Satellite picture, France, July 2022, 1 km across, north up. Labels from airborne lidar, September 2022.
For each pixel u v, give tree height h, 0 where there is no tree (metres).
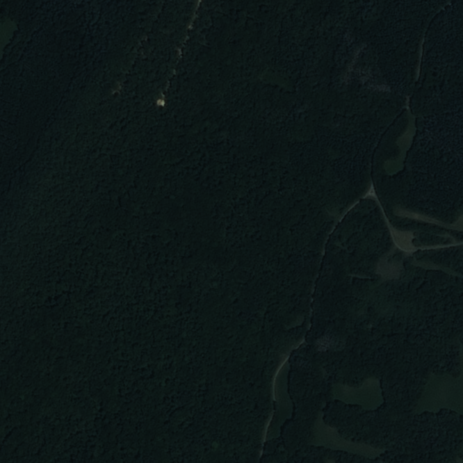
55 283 24
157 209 19
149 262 18
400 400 17
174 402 18
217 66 21
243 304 17
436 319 17
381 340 20
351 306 12
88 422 16
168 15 17
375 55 19
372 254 10
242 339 15
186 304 24
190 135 20
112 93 18
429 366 14
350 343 17
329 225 12
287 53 16
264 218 18
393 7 17
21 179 24
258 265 16
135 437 20
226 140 18
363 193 8
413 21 18
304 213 11
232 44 20
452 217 9
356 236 8
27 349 18
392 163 0
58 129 22
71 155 15
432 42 21
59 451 18
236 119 27
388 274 0
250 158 20
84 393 20
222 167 18
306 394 25
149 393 17
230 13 9
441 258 9
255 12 20
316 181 14
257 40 20
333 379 18
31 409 22
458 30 14
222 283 14
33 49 18
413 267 10
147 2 14
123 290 16
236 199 19
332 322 19
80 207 15
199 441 23
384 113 17
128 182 22
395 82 19
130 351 15
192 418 16
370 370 16
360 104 15
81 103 19
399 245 0
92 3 23
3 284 18
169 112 15
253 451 15
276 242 17
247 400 14
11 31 0
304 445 20
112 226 23
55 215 16
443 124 23
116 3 23
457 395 0
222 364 15
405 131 13
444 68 19
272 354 15
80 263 20
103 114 19
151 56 15
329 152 10
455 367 19
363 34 18
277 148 20
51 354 24
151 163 20
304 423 22
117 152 17
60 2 24
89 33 12
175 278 17
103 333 17
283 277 17
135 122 17
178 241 20
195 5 16
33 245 18
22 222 14
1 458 19
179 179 20
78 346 18
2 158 15
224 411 15
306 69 23
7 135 18
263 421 16
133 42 19
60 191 15
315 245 14
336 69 31
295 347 0
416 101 17
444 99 25
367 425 19
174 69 11
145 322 17
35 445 19
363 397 0
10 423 18
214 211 18
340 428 16
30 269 14
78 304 21
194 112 20
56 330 14
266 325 16
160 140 17
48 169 11
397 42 21
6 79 14
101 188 21
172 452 15
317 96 21
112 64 20
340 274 17
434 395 0
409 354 18
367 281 17
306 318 9
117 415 17
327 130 16
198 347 15
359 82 21
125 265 18
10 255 14
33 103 19
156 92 16
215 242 26
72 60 23
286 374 0
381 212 16
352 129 14
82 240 20
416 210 11
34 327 20
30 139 19
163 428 19
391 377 17
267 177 22
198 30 18
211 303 18
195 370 17
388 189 12
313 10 12
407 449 14
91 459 17
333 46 21
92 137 16
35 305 15
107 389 20
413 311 7
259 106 19
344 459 18
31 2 27
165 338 17
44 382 21
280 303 12
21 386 22
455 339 14
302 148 14
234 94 12
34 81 18
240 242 15
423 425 16
